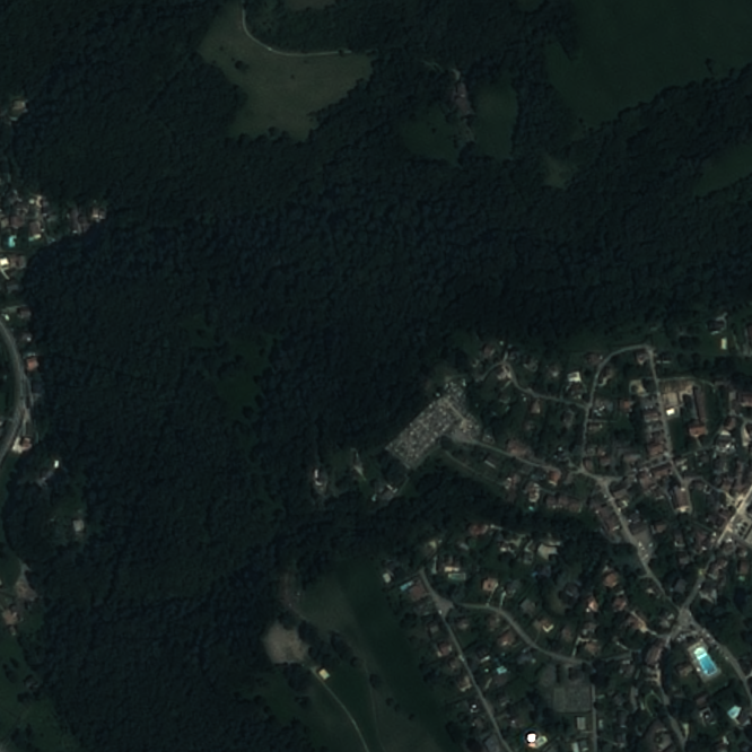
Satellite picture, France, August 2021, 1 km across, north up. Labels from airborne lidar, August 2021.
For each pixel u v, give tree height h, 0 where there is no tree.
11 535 17
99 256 34
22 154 20
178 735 24
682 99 19
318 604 0
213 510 15
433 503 30
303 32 7
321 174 21
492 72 12
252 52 0
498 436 11
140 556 31
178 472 25
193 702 27
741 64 0
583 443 9
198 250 22
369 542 26
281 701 0
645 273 37
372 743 0
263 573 26
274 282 33
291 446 25
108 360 29
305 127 0
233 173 17
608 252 37
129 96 21
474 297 22
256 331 23
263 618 18
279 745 37
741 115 28
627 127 23
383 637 0
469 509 16
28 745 11
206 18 17
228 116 17
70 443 37
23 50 29
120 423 25
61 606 17
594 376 18
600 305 23
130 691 17
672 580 8
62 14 17
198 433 32
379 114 29
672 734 8
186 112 23
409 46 21
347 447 15
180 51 5
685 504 0
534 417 7
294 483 22
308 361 33
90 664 23
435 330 26
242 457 23
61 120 26
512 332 23
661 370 8
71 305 23
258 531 16
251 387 0
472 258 33
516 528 20
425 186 28
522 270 30
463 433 0
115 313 17
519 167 13
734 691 10
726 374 16
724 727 6
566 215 22
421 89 26
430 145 0
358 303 29
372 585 0
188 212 29
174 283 29
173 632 31
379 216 29
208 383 22
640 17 0
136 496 21
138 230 34
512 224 23
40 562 14
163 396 25
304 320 25
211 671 25
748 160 0
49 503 24
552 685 0
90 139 23
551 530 16
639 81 0
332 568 19
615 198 26
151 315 20
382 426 28
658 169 32
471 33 20
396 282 22
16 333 6
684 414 11
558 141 25
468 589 6
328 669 12
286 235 26
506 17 27
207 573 24
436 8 26
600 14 0
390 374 27
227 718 32
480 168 23
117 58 20
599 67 0
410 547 15
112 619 29
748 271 21
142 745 22
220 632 12
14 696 0
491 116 0
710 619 19
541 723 24
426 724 0
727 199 10
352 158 22
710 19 0
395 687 0
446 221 29
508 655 6
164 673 23
